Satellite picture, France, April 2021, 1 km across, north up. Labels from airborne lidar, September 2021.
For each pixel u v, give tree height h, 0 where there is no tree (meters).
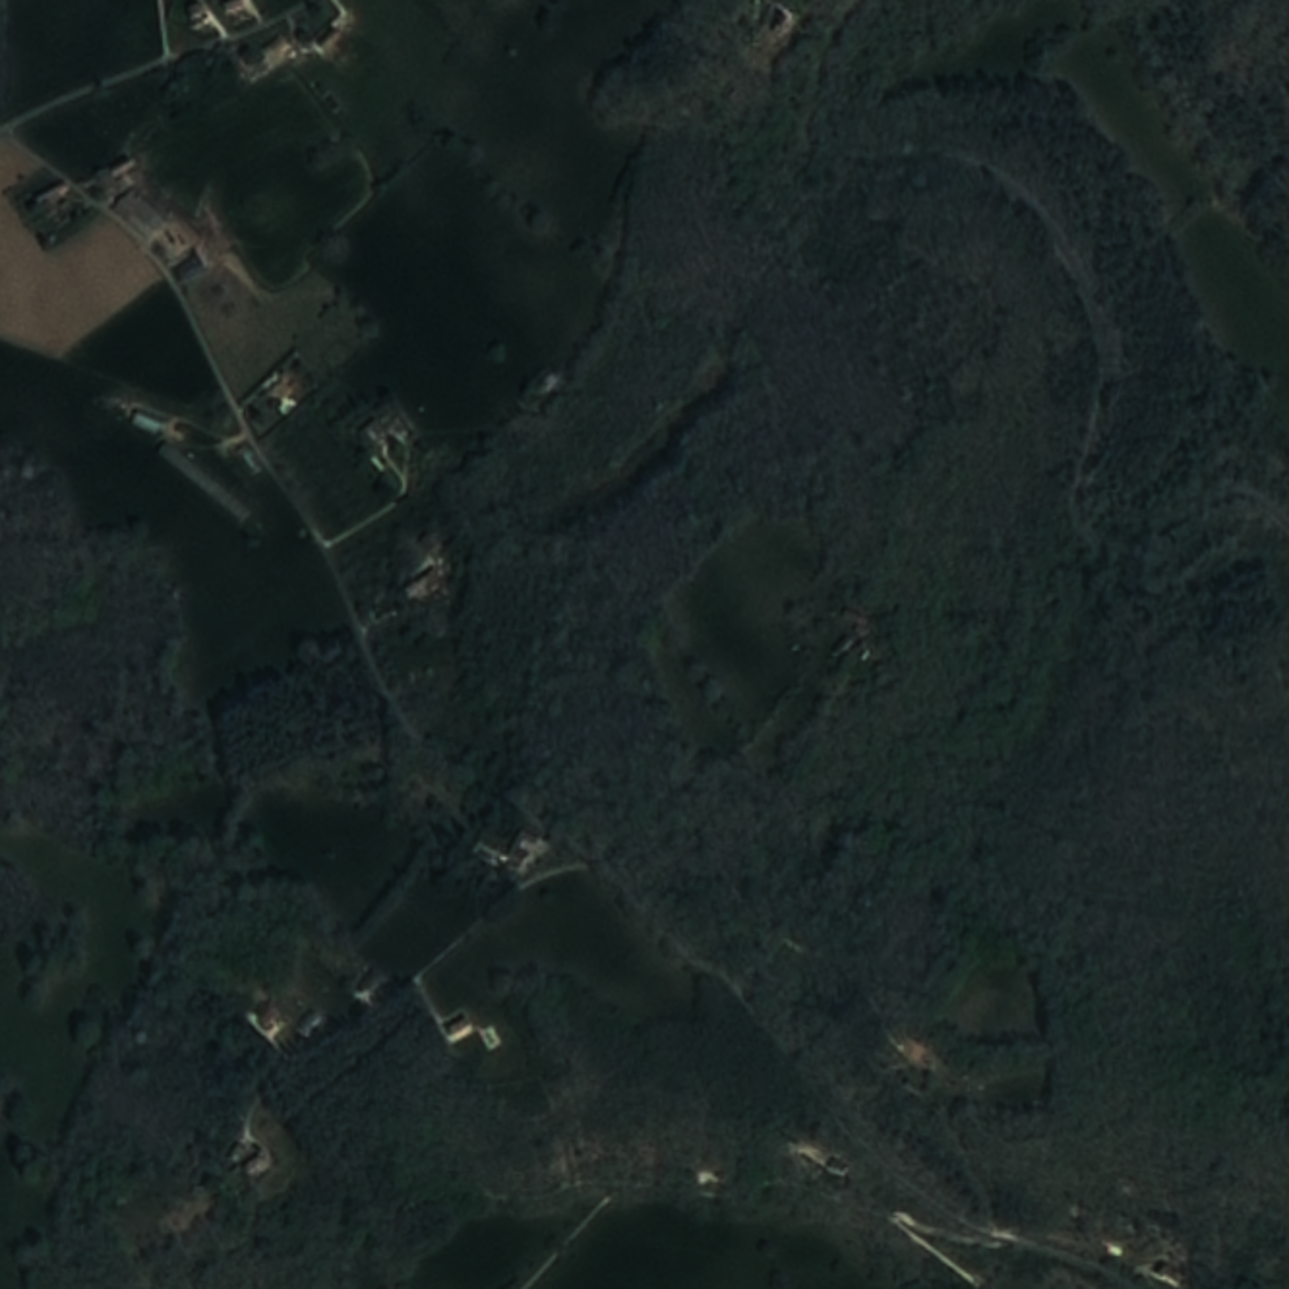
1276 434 9
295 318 0
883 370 17
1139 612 12
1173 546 12
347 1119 24
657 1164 8
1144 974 16
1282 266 6
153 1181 13
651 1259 0
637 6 0
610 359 16
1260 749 15
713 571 0
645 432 15
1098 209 12
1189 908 15
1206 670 9
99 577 12
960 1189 8
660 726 24
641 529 22
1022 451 11
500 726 15
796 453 19
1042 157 14
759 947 19
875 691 9
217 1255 15
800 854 22
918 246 16
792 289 19
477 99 0
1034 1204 10
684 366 18
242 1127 9
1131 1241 10
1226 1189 18
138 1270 16
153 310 0
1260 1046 12
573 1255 8
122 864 14
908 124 26
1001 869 18
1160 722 10
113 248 0
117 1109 15
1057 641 23
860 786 25
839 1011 14
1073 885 11
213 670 0
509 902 23
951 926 23
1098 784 11
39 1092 0
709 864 20
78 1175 17
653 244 18
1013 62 0
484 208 0
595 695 26
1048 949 21
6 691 6
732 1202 22
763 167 26
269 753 22
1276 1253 8
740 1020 21
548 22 12
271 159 0
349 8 0
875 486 19
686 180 16
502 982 17
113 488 0
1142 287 17
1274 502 7
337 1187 18
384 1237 22
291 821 0
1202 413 20
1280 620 13
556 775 18
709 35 24
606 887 18
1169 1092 19
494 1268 0
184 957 26
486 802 21
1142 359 14
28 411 0
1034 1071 16
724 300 22
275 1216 7
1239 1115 20
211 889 24
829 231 6
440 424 0
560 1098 15
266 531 0
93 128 0
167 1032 25
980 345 8
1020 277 16
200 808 0
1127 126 0
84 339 0
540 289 0
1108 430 16
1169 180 0
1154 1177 12
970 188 14
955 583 21
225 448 0
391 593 7
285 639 0
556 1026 22
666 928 17
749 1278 0
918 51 26
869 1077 10
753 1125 11
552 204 0
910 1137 9
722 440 23
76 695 5
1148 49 13
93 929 0
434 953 0
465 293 0
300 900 21
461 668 6
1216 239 0
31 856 0
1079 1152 18
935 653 23
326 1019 0
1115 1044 16
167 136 0
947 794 23
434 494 12
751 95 24
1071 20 0
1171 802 13
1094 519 18
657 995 0
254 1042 22
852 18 10
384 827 12
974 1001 0
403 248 0
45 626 18
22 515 8
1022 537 21
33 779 13
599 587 17
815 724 18
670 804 17
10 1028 0
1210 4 14
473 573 16
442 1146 24
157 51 0
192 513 0
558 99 0
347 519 8
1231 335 0
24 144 0
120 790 20
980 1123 13
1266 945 24
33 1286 14
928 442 18
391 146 0
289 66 0
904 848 21
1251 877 12
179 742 15
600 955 0
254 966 18
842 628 0
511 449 15
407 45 0
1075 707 9
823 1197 10
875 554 18
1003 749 20
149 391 0
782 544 0
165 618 11
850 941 22
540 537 16
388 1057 20
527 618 26
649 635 25
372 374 0
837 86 26
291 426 9
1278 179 17
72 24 0
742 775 17
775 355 21
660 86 24
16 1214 0
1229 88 8
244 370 0
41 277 0
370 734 20
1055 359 16
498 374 0
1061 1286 9
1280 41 11
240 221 0
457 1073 10
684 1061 23
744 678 0
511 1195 16
